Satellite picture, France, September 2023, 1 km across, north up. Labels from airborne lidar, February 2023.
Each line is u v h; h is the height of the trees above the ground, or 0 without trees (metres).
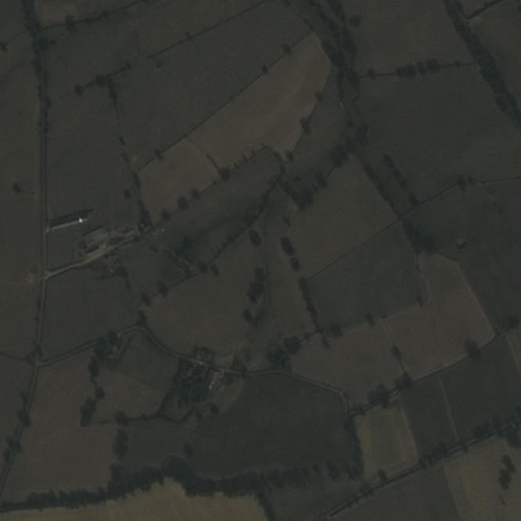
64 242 0
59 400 0
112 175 0
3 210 0
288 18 0
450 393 0
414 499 0
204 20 0
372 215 0
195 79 0
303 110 0
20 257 0
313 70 0
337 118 0
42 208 0
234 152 0
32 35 16
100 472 0
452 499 0
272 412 0
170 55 0
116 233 0
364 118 0
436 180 0
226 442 0
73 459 0
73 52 0
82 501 17
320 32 0
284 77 0
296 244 0
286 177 0
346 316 0
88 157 0
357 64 0
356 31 0
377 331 0
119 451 19
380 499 0
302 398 0
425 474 0
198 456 0
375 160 0
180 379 8
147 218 9
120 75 0
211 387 0
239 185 0
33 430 0
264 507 13
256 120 0
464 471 0
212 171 0
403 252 0
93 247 0
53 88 0
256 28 0
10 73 0
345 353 0
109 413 0
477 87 0
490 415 0
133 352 0
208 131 0
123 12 0
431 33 0
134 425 0
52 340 0
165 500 0
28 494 0
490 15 0
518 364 0
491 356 0
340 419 0
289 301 0
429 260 0
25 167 0
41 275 0
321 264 0
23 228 0
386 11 0
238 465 0
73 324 0
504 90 15
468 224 0
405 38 0
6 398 0
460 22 12
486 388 0
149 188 0
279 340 0
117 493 18
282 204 0
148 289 0
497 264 0
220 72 0
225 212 0
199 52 0
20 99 0
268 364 0
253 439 0
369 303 0
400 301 0
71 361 0
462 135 0
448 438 0
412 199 13
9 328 0
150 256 0
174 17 0
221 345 0
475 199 0
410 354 0
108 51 0
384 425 0
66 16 0
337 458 0
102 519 0
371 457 0
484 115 0
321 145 0
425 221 0
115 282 0
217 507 0
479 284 0
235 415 0
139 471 0
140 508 0
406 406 0
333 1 16
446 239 0
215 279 0
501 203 0
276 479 20
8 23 0
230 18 0
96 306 0
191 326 0
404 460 0
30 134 0
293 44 0
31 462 0
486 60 18
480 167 0
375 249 0
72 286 0
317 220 0
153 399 0
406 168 0
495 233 0
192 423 0
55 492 0
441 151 0
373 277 0
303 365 0
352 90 0
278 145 0
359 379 0
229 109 0
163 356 0
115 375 0
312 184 0
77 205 0
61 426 0
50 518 0
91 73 0
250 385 0
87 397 0
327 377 0
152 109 0
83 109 0
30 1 11
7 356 0
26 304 0
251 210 0
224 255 0
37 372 0
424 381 0
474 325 0
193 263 0
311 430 0
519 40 0
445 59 0
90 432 0
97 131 0
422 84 0
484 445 0
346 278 0
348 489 0
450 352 0
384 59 0
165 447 0
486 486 0
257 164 0
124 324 0
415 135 0
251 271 0
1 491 0
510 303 0
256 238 20
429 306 0
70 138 0
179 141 0
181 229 0
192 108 0
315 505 0
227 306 0
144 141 0
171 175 0
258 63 0
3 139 0
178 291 0
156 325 0
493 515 0
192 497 0
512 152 0
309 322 0
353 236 0
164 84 0
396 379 0
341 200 0
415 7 0
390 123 0
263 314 0
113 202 0
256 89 0
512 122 0
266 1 0
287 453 0
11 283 0
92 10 0
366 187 0
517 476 0
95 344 0
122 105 0
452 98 0
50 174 0
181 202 12
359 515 0
